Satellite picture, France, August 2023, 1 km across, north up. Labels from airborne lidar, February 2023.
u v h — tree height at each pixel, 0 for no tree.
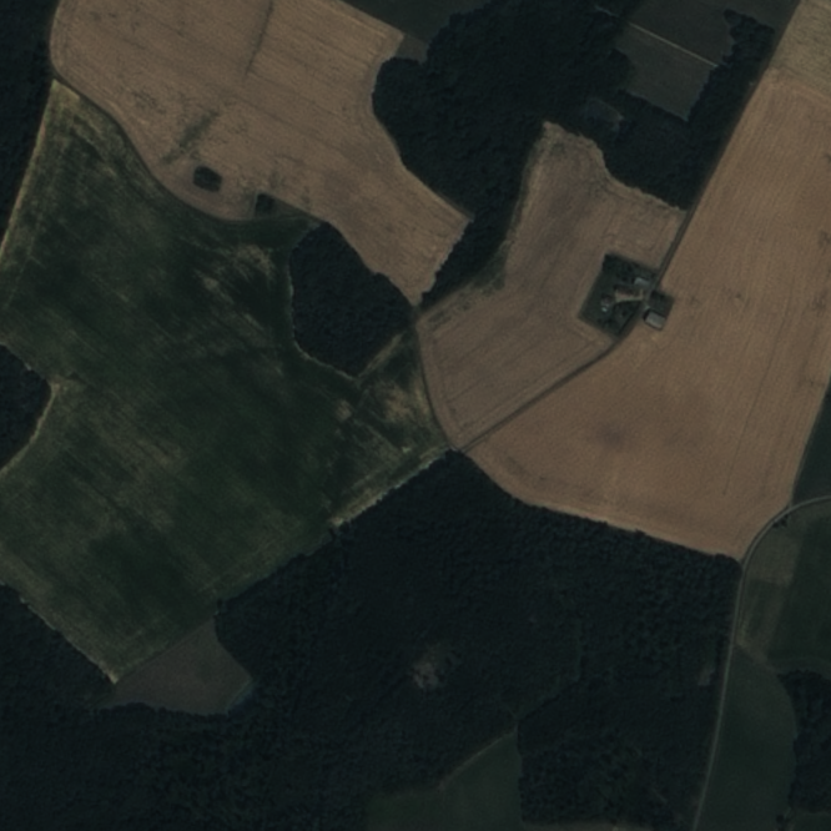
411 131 20
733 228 0
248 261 0
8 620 19
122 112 0
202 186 0
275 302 0
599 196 0
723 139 14
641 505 0
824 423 0
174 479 0
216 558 0
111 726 18
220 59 0
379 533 16
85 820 17
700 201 0
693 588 18
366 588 15
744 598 0
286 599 18
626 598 10
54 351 0
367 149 0
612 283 0
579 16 27
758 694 0
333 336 17
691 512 0
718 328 0
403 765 19
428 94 20
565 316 0
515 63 22
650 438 0
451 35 16
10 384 22
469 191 15
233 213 0
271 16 0
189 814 13
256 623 19
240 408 0
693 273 0
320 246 18
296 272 16
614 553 18
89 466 0
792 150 0
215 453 0
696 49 0
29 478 0
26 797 19
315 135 0
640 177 22
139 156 0
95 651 0
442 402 0
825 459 0
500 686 14
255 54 0
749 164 0
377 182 0
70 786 20
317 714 14
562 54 25
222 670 0
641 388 0
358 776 19
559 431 0
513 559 10
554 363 0
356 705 7
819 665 0
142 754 14
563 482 0
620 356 0
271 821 11
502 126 22
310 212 0
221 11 0
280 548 0
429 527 12
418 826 0
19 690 15
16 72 17
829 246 0
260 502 0
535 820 9
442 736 23
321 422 0
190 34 0
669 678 12
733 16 12
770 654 0
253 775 21
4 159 17
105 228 0
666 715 17
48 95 12
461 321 0
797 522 0
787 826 8
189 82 0
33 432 12
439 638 18
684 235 0
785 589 0
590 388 0
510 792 0
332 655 15
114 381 0
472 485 17
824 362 0
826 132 0
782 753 0
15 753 14
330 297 18
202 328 0
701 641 15
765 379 0
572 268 0
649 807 0
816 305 0
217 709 0
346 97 0
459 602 17
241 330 0
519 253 0
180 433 0
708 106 16
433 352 0
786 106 0
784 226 0
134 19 0
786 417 0
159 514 0
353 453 0
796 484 0
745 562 0
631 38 0
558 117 21
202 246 0
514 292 0
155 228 0
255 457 0
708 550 0
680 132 23
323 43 0
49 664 17
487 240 17
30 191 0
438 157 18
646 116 21
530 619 19
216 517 0
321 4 0
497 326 0
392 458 0
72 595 0
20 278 0
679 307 0
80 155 0
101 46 0
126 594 0
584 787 22
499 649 16
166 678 0
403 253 0
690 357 0
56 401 0
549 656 19
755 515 0
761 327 0
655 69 0
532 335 0
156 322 0
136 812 20
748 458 0
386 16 0
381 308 17
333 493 0
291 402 0
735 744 0
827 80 0
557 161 0
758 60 16
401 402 0
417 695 20
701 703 13
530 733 11
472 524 19
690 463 0
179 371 0
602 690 18
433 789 0
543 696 14
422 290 0
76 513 0
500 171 21
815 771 25
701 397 0
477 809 0
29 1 25
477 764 0
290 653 6
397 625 15
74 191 0
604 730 18
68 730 14
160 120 0
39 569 0
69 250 0
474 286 0
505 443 0
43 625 15
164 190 0
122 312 0
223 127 0
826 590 0
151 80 0
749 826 0
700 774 16
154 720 19
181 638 0
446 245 0
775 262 0
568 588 13
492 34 19
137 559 0
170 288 0
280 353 0
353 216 0
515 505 12
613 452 0
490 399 0
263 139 0
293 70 0
